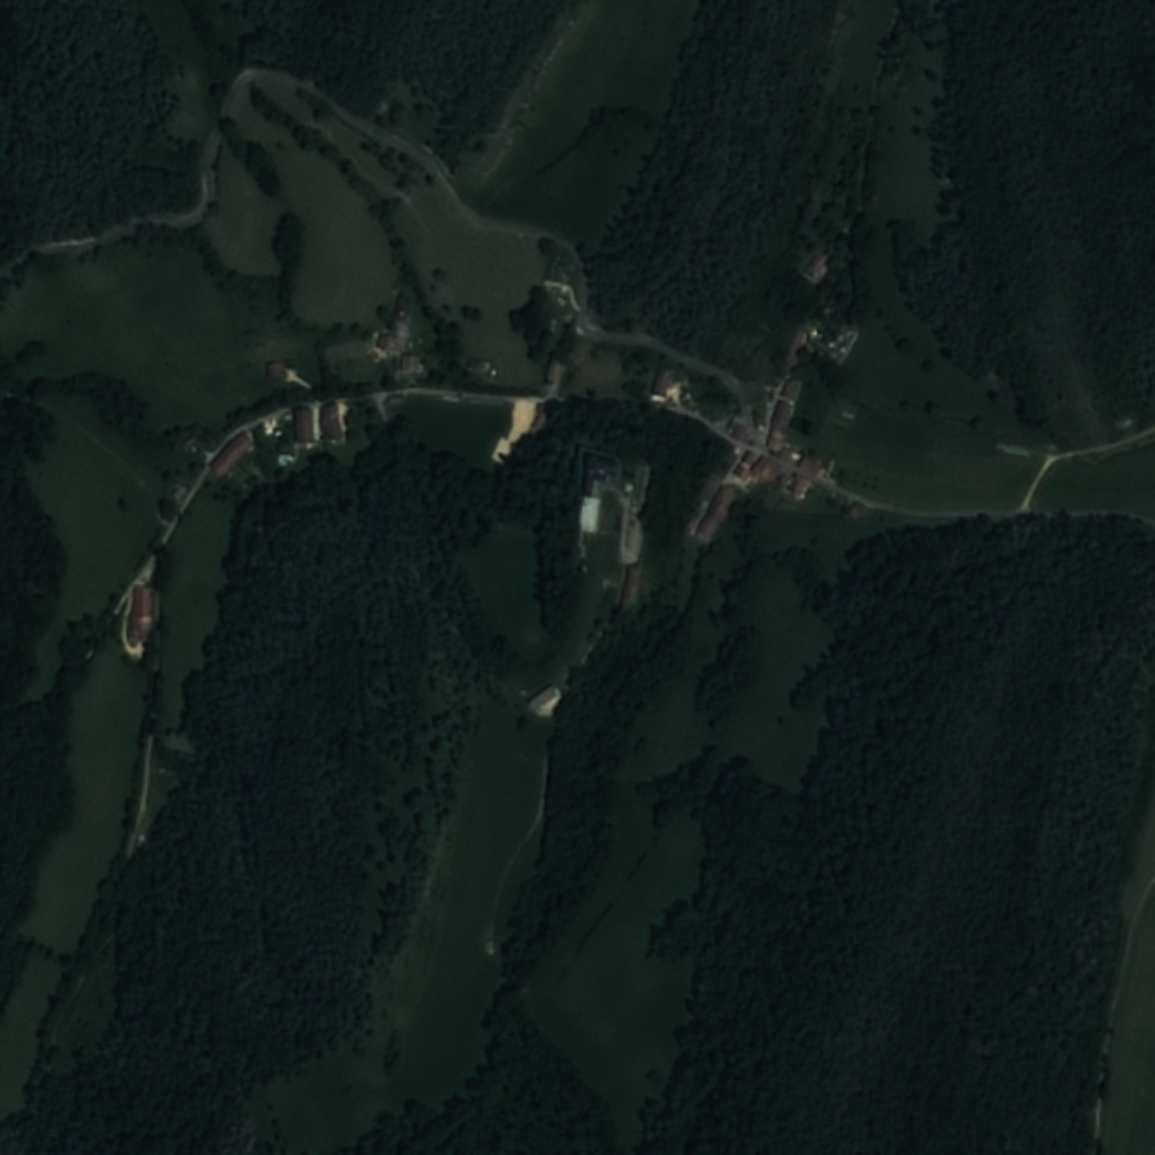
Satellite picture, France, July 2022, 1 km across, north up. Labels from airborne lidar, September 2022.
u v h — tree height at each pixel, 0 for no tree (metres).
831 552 0
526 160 0
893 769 22
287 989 9
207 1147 19
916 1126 26
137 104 17
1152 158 16
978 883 15
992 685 6
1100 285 9
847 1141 14
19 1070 0
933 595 25
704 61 13
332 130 0
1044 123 7
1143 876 0
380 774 12
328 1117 0
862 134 8
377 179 0
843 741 20
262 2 18
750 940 23
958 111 13
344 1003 17
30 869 15
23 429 19
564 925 17
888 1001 12
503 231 0
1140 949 0
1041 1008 16
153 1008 25
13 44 17
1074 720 24
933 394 0
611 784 18
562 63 0
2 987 0
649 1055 0
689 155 9
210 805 19
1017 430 0
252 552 27
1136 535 15
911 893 8
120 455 0
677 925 23
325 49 18
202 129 0
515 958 16
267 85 0
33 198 17
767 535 0
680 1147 23
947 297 27
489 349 0
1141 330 15
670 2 0
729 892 21
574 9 7
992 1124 19
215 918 26
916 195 0
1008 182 11
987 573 30
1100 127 10
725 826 21
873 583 24
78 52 23
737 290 16
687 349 13
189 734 8
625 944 0
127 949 23
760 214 28
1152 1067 0
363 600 11
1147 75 13
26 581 25
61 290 0
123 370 0
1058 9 14
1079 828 23
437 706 0
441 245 0
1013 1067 16
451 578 22
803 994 22
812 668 0
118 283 0
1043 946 13
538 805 0
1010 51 10
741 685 14
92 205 15
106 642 7
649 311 13
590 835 10
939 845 10
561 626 14
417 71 12
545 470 21
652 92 0
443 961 0
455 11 13
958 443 0
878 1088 15
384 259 0
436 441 0
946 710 13
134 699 0
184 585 0
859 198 8
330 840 23
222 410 0
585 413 25
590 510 0
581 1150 26
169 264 0
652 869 0
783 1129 12
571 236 0
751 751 0
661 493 15
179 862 17
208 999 24
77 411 0
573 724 15
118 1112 11
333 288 0
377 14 19
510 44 11
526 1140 6
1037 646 12
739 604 11
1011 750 8
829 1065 8
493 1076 20
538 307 16
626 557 0
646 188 9
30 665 14
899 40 16
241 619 17
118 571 0
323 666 21
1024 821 18
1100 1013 12
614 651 14
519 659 20
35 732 17
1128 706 20
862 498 0
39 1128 16
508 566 0
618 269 21
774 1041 23
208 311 0
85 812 0
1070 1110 7
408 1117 7
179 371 0
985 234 16
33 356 12
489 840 0
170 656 0
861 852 20
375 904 0
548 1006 0
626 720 15
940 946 12
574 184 0
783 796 20
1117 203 17
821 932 23
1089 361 7
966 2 19
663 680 11
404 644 13
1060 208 6
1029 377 11
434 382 9
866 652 24
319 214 0
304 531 18
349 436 9
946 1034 19
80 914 0
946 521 0
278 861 24
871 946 8
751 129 13
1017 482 0
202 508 0
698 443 9
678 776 8
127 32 12
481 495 23
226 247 0
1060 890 9
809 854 16
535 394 7
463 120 19
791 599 0
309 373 0
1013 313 9
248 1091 16
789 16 15
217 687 23
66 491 0
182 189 13
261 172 20
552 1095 19
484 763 0
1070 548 8
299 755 24
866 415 0
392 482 23
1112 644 16
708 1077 24
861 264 19
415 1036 0
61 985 7
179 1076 24
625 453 23
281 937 24
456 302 0
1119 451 0
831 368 18
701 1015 25
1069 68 10
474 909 0
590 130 9
